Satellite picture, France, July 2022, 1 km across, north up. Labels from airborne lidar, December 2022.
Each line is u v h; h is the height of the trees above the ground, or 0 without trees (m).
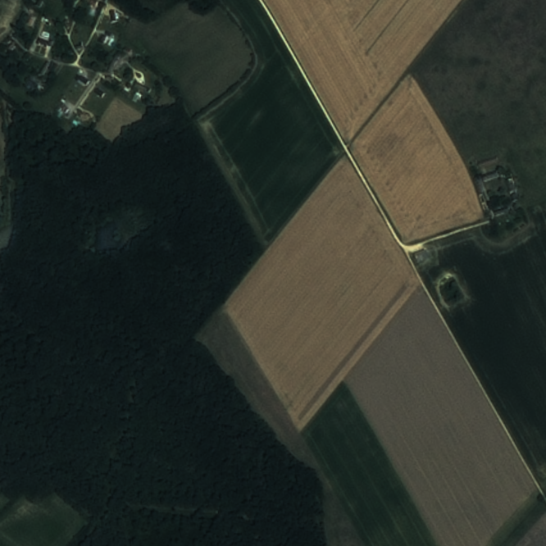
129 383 24
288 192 0
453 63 0
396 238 0
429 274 0
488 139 0
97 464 22
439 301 0
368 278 0
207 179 14
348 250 0
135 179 19
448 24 0
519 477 0
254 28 0
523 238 0
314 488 20
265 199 0
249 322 0
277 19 0
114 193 21
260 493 26
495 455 0
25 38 13
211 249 19
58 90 0
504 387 0
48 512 0
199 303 17
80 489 22
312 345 0
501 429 0
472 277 0
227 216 21
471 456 0
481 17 0
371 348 0
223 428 24
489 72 0
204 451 25
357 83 0
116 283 24
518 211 10
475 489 0
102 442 24
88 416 23
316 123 0
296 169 0
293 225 0
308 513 22
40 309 20
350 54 0
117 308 22
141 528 19
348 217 0
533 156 0
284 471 16
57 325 21
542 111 0
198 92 0
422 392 0
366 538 0
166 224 19
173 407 19
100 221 10
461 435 0
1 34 0
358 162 0
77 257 24
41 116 16
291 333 0
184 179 17
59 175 24
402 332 0
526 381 0
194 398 17
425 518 0
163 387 17
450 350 0
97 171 23
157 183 19
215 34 0
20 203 19
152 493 22
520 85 0
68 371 24
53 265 16
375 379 0
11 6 0
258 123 0
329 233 0
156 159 18
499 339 0
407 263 0
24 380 9
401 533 0
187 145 20
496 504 0
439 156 0
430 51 0
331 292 0
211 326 0
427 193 0
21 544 0
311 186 0
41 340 18
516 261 0
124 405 22
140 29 0
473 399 0
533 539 0
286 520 21
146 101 11
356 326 0
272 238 0
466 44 0
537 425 0
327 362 0
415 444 0
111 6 0
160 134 13
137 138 16
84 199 27
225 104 0
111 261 20
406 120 0
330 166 0
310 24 0
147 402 23
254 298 0
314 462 0
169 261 21
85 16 11
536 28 0
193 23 0
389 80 0
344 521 0
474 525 0
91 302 22
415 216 0
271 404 0
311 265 0
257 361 0
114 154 20
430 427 0
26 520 0
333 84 0
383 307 0
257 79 0
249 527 23
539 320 0
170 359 18
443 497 0
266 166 0
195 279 11
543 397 0
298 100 0
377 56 0
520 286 0
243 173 0
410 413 0
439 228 0
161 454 24
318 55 0
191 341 13
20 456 22
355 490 0
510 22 0
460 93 0
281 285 0
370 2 0
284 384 0
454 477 0
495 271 0
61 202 19
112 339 21
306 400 0
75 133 13
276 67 0
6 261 17
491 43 0
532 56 0
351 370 0
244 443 23
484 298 0
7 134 12
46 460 21
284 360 0
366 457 0
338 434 0
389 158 0
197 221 18
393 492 0
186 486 23
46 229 24
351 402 0
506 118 0
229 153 0
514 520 0
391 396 0
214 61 0
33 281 18
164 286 16
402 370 0
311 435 0
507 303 0
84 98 0
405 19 0
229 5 0
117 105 0
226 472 25
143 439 24
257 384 0
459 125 0
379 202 0
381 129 0
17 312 27
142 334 24
